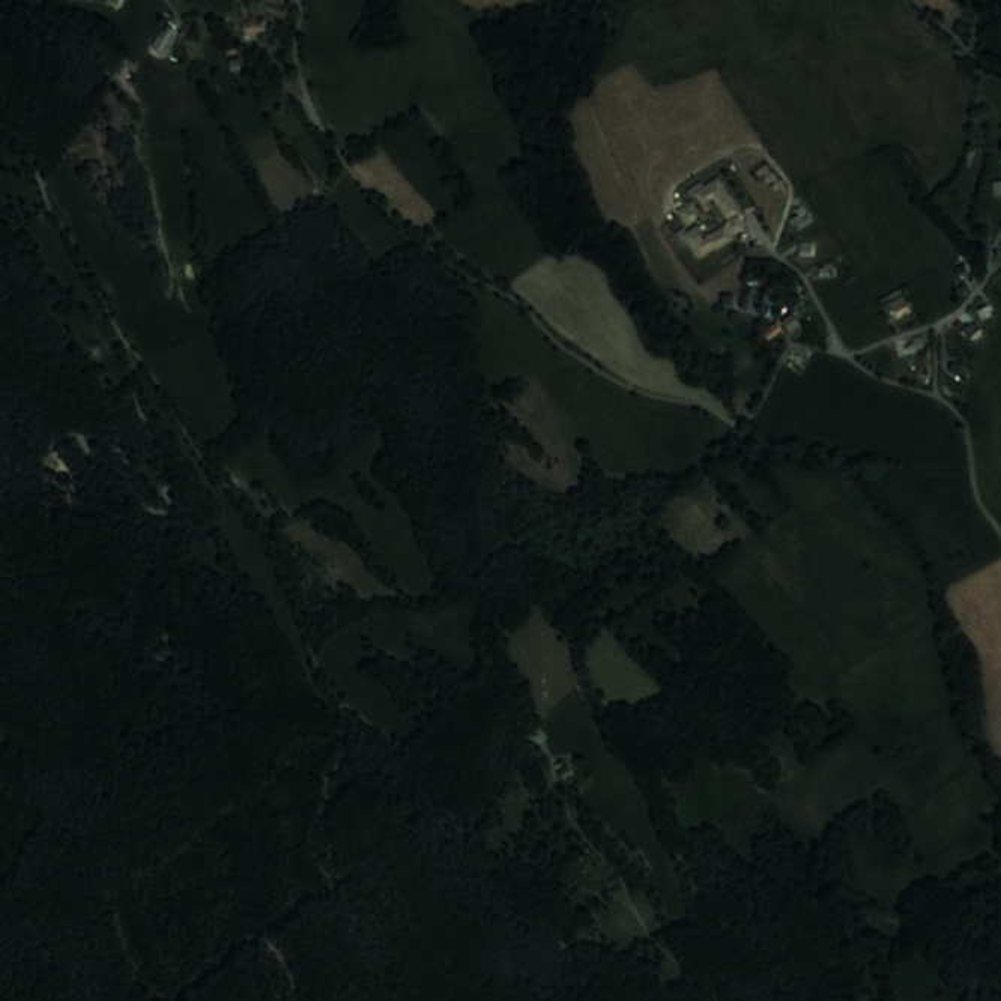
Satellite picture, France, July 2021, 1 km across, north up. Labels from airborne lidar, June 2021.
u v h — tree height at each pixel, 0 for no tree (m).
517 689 16
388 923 15
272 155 0
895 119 0
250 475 0
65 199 0
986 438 0
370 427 19
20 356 23
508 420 20
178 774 31
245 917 9
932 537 0
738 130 0
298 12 12
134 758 29
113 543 28
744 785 0
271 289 16
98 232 0
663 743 23
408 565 0
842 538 0
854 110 0
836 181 0
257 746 28
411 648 13
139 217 11
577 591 20
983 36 13
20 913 27
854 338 0
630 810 0
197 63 7
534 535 7
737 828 0
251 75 13
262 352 26
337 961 22
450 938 15
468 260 9
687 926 18
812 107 0
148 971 8
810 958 20
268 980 22
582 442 16
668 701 17
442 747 20
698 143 0
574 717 0
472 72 0
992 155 7
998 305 0
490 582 16
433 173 0
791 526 0
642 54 0
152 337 0
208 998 15
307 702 23
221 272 18
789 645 0
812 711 16
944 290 0
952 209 0
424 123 0
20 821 19
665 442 0
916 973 0
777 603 0
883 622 0
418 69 0
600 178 0
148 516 19
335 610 12
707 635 17
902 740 0
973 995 16
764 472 15
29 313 15
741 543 11
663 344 16
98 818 25
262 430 11
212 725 28
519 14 20
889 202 0
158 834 24
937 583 9
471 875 18
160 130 0
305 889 6
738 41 0
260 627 29
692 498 0
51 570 26
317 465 18
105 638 20
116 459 16
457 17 0
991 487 0
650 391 0
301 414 24
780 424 0
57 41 23
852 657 0
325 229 15
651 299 19
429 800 16
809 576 0
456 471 30
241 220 0
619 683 0
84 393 19
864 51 0
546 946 17
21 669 25
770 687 21
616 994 20
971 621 0
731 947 18
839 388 0
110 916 27
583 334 0
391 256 13
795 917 24
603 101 0
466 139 0
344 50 0
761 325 13
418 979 22
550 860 19
